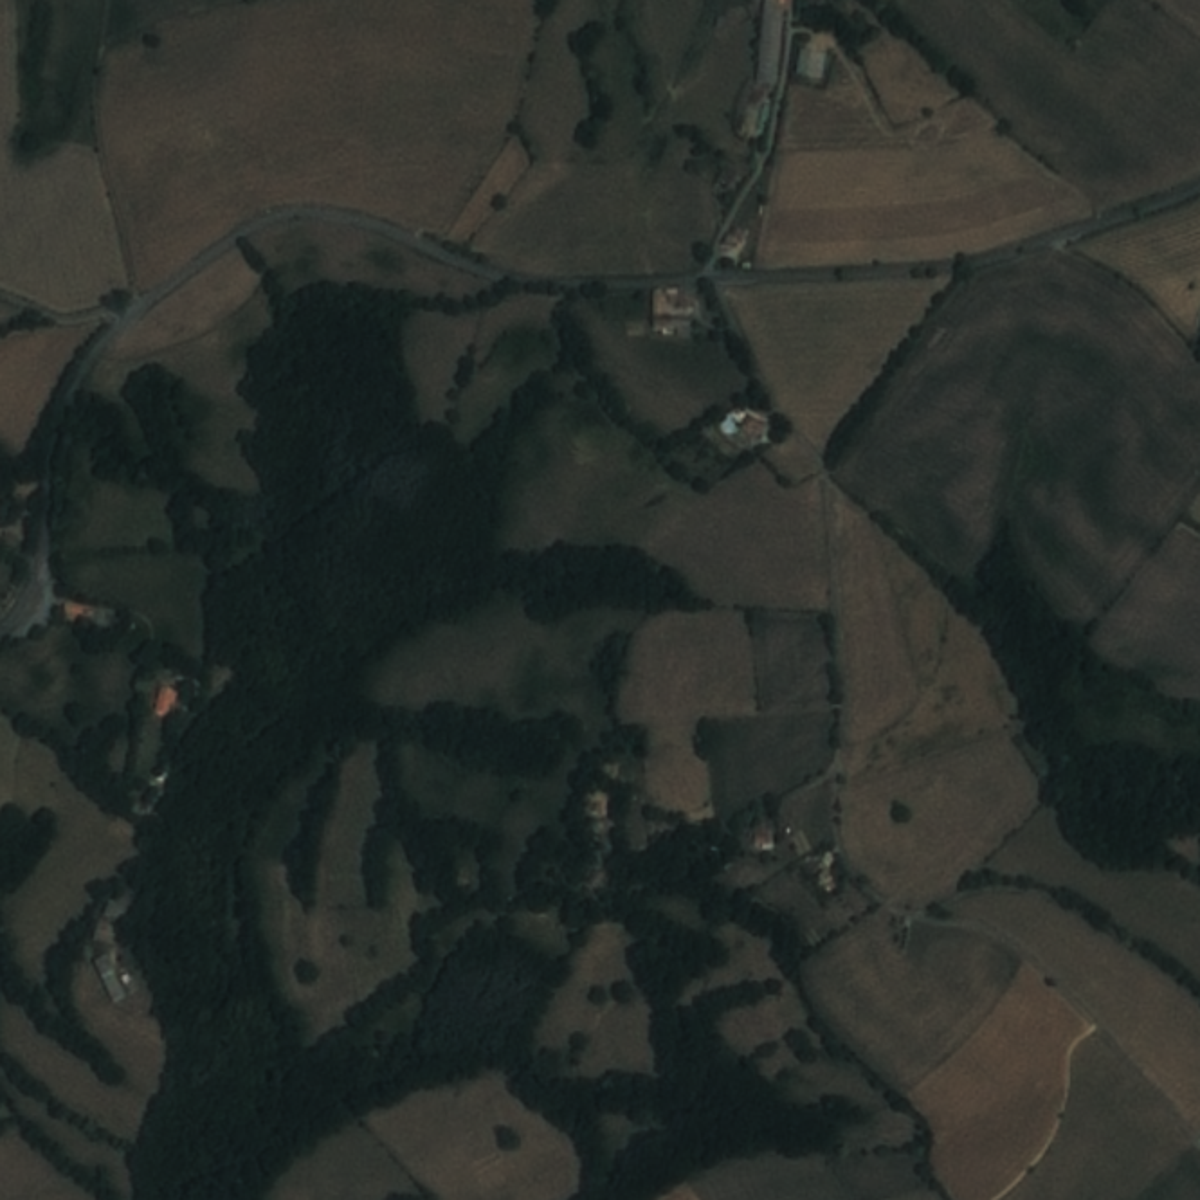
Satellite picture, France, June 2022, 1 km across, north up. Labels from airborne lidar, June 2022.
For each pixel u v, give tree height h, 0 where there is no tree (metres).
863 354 0
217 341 0
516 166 0
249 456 13
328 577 15
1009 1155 0
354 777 0
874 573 0
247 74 0
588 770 15
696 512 0
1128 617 0
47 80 0
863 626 0
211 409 0
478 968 14
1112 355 0
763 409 11
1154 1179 0
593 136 16
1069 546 0
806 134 0
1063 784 25
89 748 18
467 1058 24
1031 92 0
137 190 0
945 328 0
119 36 0
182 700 12
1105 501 0
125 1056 0
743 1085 25
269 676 17
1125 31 0
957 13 0
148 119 0
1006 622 20
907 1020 0
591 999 13
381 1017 16
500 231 0
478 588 27
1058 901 11
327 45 0
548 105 0
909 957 0
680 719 0
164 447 18
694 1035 19
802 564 0
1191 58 0
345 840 0
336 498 17
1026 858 0
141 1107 0
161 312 0
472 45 0
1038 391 0
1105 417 0
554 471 0
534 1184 0
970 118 0
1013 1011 0
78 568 0
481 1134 0
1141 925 0
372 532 16
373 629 21
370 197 0
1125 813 20
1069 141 0
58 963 19
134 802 11
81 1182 13
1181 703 9
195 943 24
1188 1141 0
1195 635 0
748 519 0
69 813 0
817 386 0
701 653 0
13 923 0
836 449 15
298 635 27
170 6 0
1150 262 0
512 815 0
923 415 0
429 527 12
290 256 0
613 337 0
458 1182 0
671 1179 18
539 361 0
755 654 0
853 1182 0
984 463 0
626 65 0
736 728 0
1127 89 0
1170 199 0
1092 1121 0
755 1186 0
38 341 0
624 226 0
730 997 21
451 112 0
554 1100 27
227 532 22
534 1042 16
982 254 0
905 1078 0
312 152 0
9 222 0
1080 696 0
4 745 0
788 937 19
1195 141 0
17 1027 0
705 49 0
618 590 29
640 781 0
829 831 0
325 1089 29
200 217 0
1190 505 0
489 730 23
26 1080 13
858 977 0
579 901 13
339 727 22
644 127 0
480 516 17
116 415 19
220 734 14
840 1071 0
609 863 14
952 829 0
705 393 0
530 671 0
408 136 0
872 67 0
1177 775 21
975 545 0
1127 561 0
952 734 0
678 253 0
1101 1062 0
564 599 26
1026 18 0
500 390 0
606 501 0
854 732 0
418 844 21
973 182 0
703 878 16
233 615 17
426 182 0
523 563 19
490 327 0
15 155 0
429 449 14
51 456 16
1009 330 0
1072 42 9
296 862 27
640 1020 0
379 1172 0
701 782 0
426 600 16
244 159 0
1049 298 0
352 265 0
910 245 0
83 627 12
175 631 0
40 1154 8
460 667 0
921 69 0
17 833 21
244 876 27
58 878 0
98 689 0
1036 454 0
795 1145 25
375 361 20
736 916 22
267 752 23
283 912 0
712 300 7
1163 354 0
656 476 0
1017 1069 0
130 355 0
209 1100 18
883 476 0
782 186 0
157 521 0
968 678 0
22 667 0
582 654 0
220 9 0
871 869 0
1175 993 0
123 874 13
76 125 0
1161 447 0
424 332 0
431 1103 0
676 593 17
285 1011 19
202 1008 21
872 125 0
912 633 0
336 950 0
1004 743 0
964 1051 0
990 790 0
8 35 0
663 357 0
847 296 0
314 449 19
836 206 0
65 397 14
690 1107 23
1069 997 0
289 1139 17
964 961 0
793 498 0
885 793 0
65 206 0
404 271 0
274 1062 21
